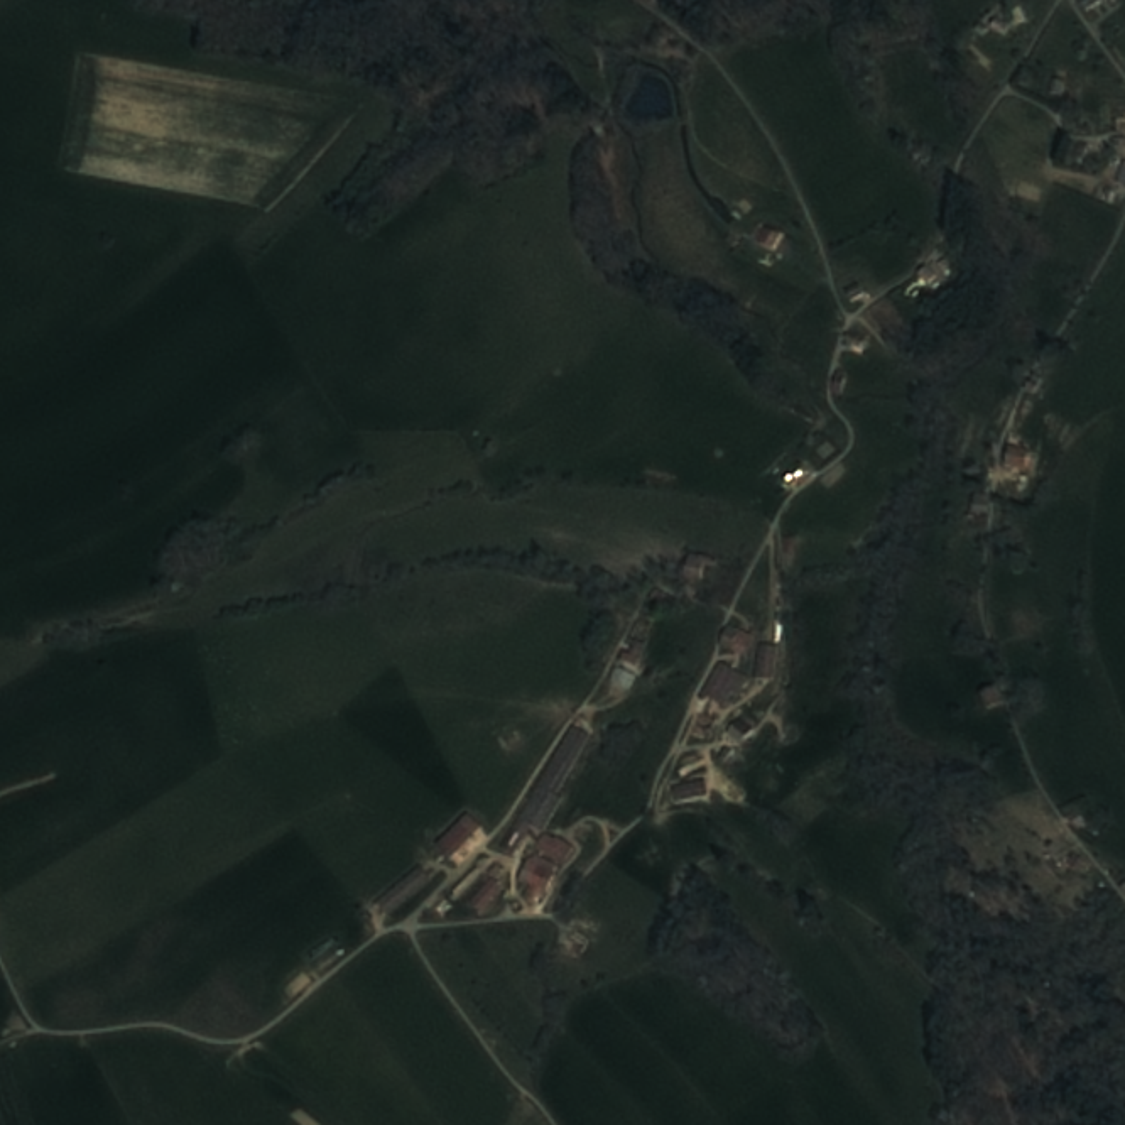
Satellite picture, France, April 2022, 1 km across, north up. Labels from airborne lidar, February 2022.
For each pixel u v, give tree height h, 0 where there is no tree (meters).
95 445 0
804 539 0
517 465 0
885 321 0
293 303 0
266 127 0
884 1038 0
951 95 16
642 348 0
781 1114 0
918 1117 0
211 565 23
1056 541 0
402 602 0
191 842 0
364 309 0
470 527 0
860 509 0
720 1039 0
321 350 0
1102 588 0
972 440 0
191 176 0
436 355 0
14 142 0
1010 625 0
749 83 0
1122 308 0
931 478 16
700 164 0
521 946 0
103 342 0
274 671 0
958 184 24
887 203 0
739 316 30
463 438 0
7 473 0
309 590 0
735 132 0
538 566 16
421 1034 0
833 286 0
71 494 0
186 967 0
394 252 0
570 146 0
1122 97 0
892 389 0
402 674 0
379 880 0
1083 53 10
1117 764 0
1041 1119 27
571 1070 0
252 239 0
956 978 23
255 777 0
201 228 0
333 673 0
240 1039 0
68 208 0
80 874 0
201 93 0
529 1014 0
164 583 12
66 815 0
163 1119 0
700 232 0
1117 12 0
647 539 0
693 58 11
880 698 16
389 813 0
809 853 0
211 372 0
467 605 0
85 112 0
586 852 0
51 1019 0
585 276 0
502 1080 0
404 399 0
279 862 0
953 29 0
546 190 0
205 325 0
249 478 0
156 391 0
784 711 0
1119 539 0
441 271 0
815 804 0
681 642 0
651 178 0
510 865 0
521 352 0
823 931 13
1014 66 0
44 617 0
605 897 0
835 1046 0
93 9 0
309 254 0
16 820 0
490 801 0
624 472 0
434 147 24
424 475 0
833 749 0
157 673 0
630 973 0
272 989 0
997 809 21
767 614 0
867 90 20
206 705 0
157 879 0
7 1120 0
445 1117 0
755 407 0
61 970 0
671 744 0
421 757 0
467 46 35
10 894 0
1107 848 0
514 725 0
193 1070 0
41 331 0
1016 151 0
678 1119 0
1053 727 0
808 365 0
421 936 0
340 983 0
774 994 25
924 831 23
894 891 0
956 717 10
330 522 0
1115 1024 32
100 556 0
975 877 8
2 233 0
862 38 23
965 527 0
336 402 0
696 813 0
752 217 0
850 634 0
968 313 24
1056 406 0
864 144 0
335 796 0
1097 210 0
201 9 16
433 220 0
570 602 0
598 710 0
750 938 20
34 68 0
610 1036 0
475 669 0
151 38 0
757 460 0
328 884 0
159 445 0
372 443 0
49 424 0
